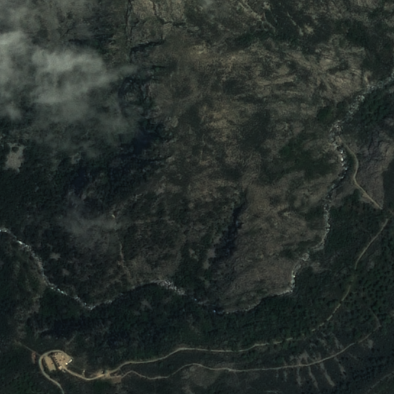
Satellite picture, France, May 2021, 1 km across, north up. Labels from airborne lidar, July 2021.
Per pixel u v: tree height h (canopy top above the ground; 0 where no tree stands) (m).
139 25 0
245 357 10
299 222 0
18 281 6
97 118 7
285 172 11
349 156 6
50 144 12
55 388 6
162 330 8
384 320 16
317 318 18
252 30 12
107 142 21
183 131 0
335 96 0
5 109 13
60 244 9
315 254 6
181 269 9
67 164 18
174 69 0
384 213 15
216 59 0
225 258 8
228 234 10
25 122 17
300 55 0
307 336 14
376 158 0
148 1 0
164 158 8
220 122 0
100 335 9
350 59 0
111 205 9
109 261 8
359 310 13
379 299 9
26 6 15
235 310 0
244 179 0
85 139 9
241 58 0
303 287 6
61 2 0
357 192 12
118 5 0
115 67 8
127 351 6
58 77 7
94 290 6
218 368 0
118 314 14
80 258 11
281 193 0
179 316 12
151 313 15
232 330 8
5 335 6
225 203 12
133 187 8
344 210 15
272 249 0
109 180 6
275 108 0
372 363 15
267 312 10
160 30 0
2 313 6
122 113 10
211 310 22
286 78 0
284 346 12
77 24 0
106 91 9
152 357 7
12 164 0
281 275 0
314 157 0
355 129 0
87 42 7
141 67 8
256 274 0
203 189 0
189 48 0
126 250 14
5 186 8
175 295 6
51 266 5
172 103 0
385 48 13
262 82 0
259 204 0
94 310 11
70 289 7
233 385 0
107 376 0
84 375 0
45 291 9
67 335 11
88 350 6
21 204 8
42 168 10
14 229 22
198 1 0
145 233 7
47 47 7
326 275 7
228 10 0
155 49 0
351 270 15
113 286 7
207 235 10
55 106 7
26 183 13
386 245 15
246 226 0
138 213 11
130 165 12
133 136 12
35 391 9
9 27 8
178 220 18
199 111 0
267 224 0
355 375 11
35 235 14
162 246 13
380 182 0
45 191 12
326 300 10
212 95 0
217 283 14
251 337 13
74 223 6
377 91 13
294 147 11
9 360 10
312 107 0
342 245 7
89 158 15
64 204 7
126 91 11
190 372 0
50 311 9
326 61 0
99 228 7
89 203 11
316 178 0
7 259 7
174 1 0
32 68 14
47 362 0
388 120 0
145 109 12
